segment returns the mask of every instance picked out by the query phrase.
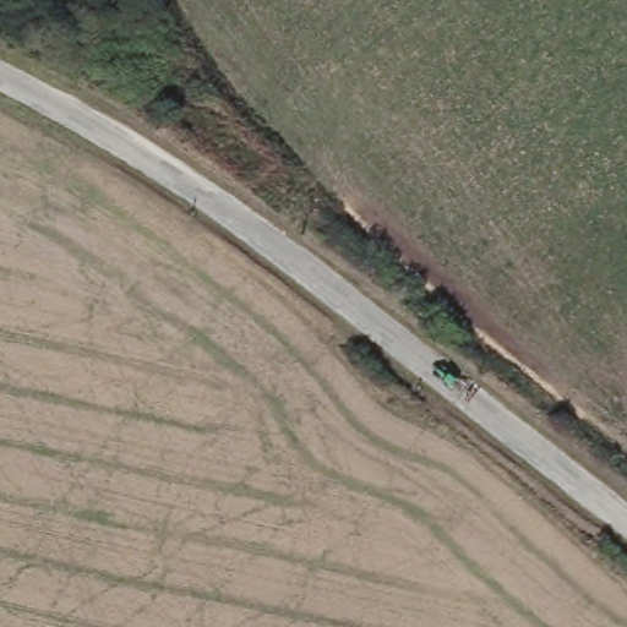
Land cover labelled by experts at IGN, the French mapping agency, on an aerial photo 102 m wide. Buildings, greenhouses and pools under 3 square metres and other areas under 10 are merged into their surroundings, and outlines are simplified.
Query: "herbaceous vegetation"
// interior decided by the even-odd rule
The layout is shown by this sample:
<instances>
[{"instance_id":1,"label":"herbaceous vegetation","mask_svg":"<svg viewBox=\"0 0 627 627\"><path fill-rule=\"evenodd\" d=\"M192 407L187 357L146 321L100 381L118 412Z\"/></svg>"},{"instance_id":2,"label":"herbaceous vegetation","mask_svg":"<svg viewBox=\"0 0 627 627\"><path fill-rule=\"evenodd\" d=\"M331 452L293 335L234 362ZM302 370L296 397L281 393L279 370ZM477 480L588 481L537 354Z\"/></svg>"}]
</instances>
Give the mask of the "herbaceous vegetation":
<instances>
[{"instance_id":1,"label":"herbaceous vegetation","mask_svg":"<svg viewBox=\"0 0 627 627\"><path fill-rule=\"evenodd\" d=\"M402 262L399 267L404 272L426 282L426 296L431 304L441 304L448 318L465 333L473 328L468 311L453 291L448 291L446 287L434 287L426 279L429 269L424 265Z\"/></svg>"},{"instance_id":2,"label":"herbaceous vegetation","mask_svg":"<svg viewBox=\"0 0 627 627\"><path fill-rule=\"evenodd\" d=\"M360 228L343 211L338 196L321 184L311 186L311 198L321 198L321 216L326 220L333 218L360 240L380 242L385 250L392 252L392 257L399 257L399 247L394 245L387 230Z\"/></svg>"},{"instance_id":3,"label":"herbaceous vegetation","mask_svg":"<svg viewBox=\"0 0 627 627\"><path fill-rule=\"evenodd\" d=\"M558 402L524 375L512 387L517 394L529 399L531 407L546 414Z\"/></svg>"},{"instance_id":4,"label":"herbaceous vegetation","mask_svg":"<svg viewBox=\"0 0 627 627\"><path fill-rule=\"evenodd\" d=\"M0 59L59 91L66 91L69 83L76 83L81 78L73 66L59 66L56 61L49 61L44 69L37 69L37 64L7 49L7 39L0 37Z\"/></svg>"}]
</instances>

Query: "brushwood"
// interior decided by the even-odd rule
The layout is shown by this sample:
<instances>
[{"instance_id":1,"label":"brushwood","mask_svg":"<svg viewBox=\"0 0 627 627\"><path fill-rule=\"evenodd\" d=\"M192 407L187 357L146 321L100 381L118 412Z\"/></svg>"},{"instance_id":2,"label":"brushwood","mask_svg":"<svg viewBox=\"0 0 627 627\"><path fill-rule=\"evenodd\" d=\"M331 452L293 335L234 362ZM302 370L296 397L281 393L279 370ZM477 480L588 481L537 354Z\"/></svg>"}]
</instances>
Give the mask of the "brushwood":
<instances>
[{"instance_id":1,"label":"brushwood","mask_svg":"<svg viewBox=\"0 0 627 627\"><path fill-rule=\"evenodd\" d=\"M419 404L426 402L426 392L431 389L424 380L397 365L375 340L358 333L343 348L350 367L355 367L360 375L370 377L380 387L402 387Z\"/></svg>"},{"instance_id":2,"label":"brushwood","mask_svg":"<svg viewBox=\"0 0 627 627\"><path fill-rule=\"evenodd\" d=\"M441 350L446 350L446 345L456 348L463 355L473 358L482 372L492 372L497 380L512 387L524 375L517 365L497 355L485 343L480 343L473 328L465 333L448 318L441 304L431 304L426 296L426 282L404 272L399 267L402 262L399 257L392 257L392 252L385 250L380 242L360 240L333 218L326 220L321 216L321 223L314 233L323 240L326 247L336 250L350 265L367 272L385 291L397 291L399 287L407 289L404 306L421 323L419 338L429 345L436 343L441 345Z\"/></svg>"},{"instance_id":3,"label":"brushwood","mask_svg":"<svg viewBox=\"0 0 627 627\"><path fill-rule=\"evenodd\" d=\"M620 475L627 478L627 451L588 421L583 421L568 402L558 402L546 414L554 429L585 441L598 460L603 460L605 465L615 468Z\"/></svg>"}]
</instances>

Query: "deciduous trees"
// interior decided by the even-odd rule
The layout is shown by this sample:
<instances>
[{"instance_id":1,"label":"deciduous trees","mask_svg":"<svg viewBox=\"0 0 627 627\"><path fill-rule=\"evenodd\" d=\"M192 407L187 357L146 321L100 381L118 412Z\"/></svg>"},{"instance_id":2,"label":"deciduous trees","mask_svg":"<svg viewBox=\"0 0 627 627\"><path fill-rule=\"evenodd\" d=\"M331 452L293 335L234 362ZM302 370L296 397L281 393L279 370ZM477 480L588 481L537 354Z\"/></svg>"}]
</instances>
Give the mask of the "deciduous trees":
<instances>
[{"instance_id":1,"label":"deciduous trees","mask_svg":"<svg viewBox=\"0 0 627 627\"><path fill-rule=\"evenodd\" d=\"M59 66L73 66L81 78L88 86L110 93L118 103L132 105L152 125L184 130L189 135L189 142L198 152L208 154L213 162L230 169L272 211L287 211L291 225L301 228L301 235L314 233L321 223L321 216L321 198L311 198L311 186L321 184L316 171L306 167L306 162L289 147L289 142L245 103L245 98L240 98L233 91L233 86L216 66L213 56L208 54L208 49L203 47L203 42L198 39L198 34L193 32L193 27L181 15L176 0L0 0L0 37L7 39L7 49L37 64L37 69L44 69L49 61L56 61Z\"/></svg>"}]
</instances>

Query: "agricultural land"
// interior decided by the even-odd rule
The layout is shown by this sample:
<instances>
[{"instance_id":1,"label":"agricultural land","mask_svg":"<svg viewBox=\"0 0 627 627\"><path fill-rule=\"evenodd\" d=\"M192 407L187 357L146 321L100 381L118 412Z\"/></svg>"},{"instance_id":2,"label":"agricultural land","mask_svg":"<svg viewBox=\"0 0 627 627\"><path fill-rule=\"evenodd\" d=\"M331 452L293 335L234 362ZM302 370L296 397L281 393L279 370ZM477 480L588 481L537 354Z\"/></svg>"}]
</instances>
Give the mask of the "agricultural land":
<instances>
[{"instance_id":1,"label":"agricultural land","mask_svg":"<svg viewBox=\"0 0 627 627\"><path fill-rule=\"evenodd\" d=\"M233 91L240 98L245 98L245 103L289 142L289 147L306 162L306 167L316 171L321 184L338 196L343 211L360 228L387 230L394 245L399 247L399 257L402 262L424 265L429 269L426 279L434 287L446 287L448 291L453 291L468 311L473 328L480 343L485 343L497 355L517 365L524 375L558 402L568 402L583 421L588 421L627 451L627 0L176 0L181 15L193 27L193 32L198 34L198 39L203 42L203 47L208 49L208 54L213 56L216 66L233 86Z\"/></svg>"},{"instance_id":2,"label":"agricultural land","mask_svg":"<svg viewBox=\"0 0 627 627\"><path fill-rule=\"evenodd\" d=\"M600 529L605 527L603 519L580 507L554 480L541 475L531 463L512 453L480 424L468 419L436 389L431 389L426 392L426 402L419 404L402 387L380 387L370 377L360 375L355 367L350 367L343 348L358 333L343 316L331 311L323 301L309 294L301 284L287 277L282 269L277 269L272 262L267 262L262 255L257 255L250 245L238 240L230 230L211 220L206 213L201 213L196 206L179 198L140 169L93 145L91 140L81 137L78 132L0 93L0 627L627 627L627 556L615 544L605 544L598 549Z\"/></svg>"}]
</instances>

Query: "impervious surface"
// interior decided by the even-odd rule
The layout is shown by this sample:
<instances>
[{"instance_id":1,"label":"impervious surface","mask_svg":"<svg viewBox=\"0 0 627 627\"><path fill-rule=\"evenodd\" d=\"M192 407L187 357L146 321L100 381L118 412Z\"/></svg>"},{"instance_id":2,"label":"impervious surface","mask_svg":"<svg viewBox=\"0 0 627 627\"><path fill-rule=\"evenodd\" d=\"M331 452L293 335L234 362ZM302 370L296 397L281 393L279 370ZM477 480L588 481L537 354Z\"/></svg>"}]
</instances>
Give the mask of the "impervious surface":
<instances>
[{"instance_id":1,"label":"impervious surface","mask_svg":"<svg viewBox=\"0 0 627 627\"><path fill-rule=\"evenodd\" d=\"M201 213L206 213L211 220L230 230L238 240L250 245L257 255L262 255L267 262L272 262L277 269L282 269L287 277L301 284L309 294L323 301L331 311L343 316L358 333L375 340L397 365L424 380L431 389L436 389L468 419L480 424L512 453L531 463L541 475L554 480L580 507L603 519L605 527L600 529L598 549L605 544L615 544L627 556L627 502L620 495L615 495L607 485L603 485L595 475L590 475L580 463L568 458L561 448L556 448L549 438L534 431L529 424L524 424L517 414L502 407L485 389L478 389L473 399L468 399L465 392L458 392L451 377L460 377L460 367L451 360L436 360L436 353L429 345L419 338L394 318L389 318L382 309L377 309L370 299L365 299L353 284L348 284L331 267L326 267L318 257L296 245L284 230L272 225L265 216L247 208L233 193L223 191L181 159L171 157L147 137L142 137L140 132L86 105L66 91L59 91L0 59L0 93L78 132L81 137L91 140L93 145L140 169L179 198L196 206Z\"/></svg>"}]
</instances>

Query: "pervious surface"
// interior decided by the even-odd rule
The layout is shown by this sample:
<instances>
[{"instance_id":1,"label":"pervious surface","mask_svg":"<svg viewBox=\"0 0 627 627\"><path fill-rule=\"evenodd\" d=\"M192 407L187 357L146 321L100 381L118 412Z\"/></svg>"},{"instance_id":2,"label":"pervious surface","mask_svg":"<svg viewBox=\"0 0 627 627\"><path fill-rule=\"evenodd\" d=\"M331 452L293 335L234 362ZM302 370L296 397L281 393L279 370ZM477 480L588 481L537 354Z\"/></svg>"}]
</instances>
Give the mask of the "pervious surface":
<instances>
[{"instance_id":1,"label":"pervious surface","mask_svg":"<svg viewBox=\"0 0 627 627\"><path fill-rule=\"evenodd\" d=\"M171 157L181 159L223 191L233 193L247 208L265 216L272 225L284 230L296 245L318 257L326 267L331 267L348 284L353 284L365 299L370 299L377 309L382 309L389 318L394 318L419 338L421 323L404 306L407 289L399 287L397 291L385 291L367 272L350 265L336 250L326 247L323 240L314 233L301 235L301 228L291 225L287 211L272 211L230 169L213 162L208 154L198 152L189 142L189 135L184 130L152 125L132 105L118 103L110 93L88 86L81 78L76 83L69 83L66 91L86 105L140 132L142 137L147 137Z\"/></svg>"},{"instance_id":2,"label":"pervious surface","mask_svg":"<svg viewBox=\"0 0 627 627\"><path fill-rule=\"evenodd\" d=\"M554 429L546 414L531 407L529 399L517 394L512 387L497 380L492 372L482 372L473 358L463 355L456 348L446 345L446 350L441 350L441 345L436 343L429 345L436 353L436 360L451 360L460 367L460 377L451 377L458 392L465 392L468 399L473 399L478 389L485 389L502 407L517 414L524 424L529 424L534 431L549 438L556 448L561 448L568 458L580 463L590 475L595 475L603 485L607 485L615 495L620 495L627 502L627 478L620 475L615 468L605 465L603 460L598 460L585 441Z\"/></svg>"}]
</instances>

